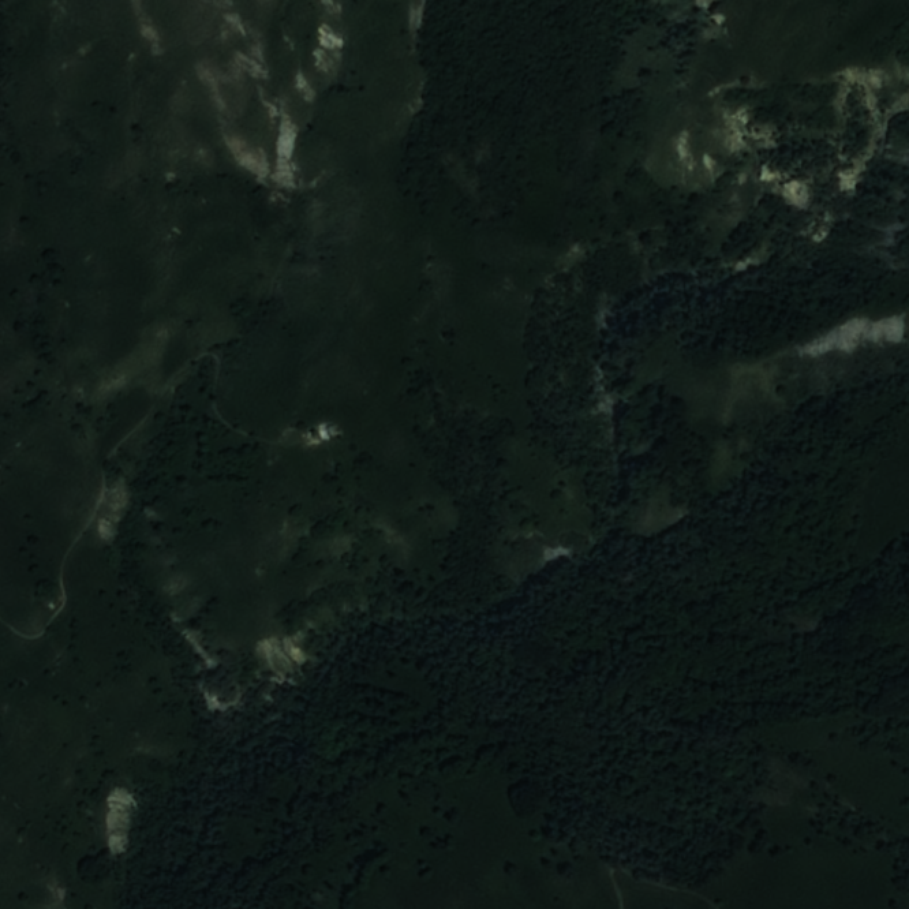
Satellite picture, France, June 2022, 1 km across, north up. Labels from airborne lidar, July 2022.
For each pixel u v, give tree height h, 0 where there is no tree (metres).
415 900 0
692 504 13
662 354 0
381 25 0
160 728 0
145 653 0
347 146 0
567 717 23
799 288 8
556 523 0
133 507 7
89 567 0
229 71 0
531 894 0
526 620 35
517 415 0
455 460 13
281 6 0
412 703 11
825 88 6
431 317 0
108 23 0
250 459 10
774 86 6
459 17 7
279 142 0
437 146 10
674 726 13
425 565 0
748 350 9
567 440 20
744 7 0
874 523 0
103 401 0
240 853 0
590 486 17
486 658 13
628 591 14
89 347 0
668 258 12
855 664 11
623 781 16
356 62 0
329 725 17
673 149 0
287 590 0
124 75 0
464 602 7
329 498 0
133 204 0
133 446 0
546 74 10
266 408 0
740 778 7
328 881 0
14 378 0
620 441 10
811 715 12
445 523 0
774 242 14
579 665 18
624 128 12
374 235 0
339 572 0
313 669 9
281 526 0
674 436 23
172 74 0
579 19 10
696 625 10
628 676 22
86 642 0
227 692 16
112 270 0
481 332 0
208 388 8
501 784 0
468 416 13
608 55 8
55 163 0
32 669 0
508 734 13
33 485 0
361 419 0
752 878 0
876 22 0
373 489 0
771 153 12
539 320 13
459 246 0
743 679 12
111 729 0
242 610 0
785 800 0
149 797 16
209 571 0
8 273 0
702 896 0
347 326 0
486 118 13
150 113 0
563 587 20
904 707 14
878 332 0
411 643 16
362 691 14
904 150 0
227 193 0
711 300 28
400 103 0
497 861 0
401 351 0
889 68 0
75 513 0
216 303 0
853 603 17
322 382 0
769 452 20
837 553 11
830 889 0
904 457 0
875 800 0
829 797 14
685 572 18
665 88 0
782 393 16
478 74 11
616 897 0
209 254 0
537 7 12
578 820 15
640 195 0
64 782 0
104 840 0
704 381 0
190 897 20
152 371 0
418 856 0
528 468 0
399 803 0
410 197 8
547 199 0
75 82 0
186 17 0
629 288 10
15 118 0
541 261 0
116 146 0
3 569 0
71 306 0
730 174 10
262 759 28
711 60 0
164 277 0
